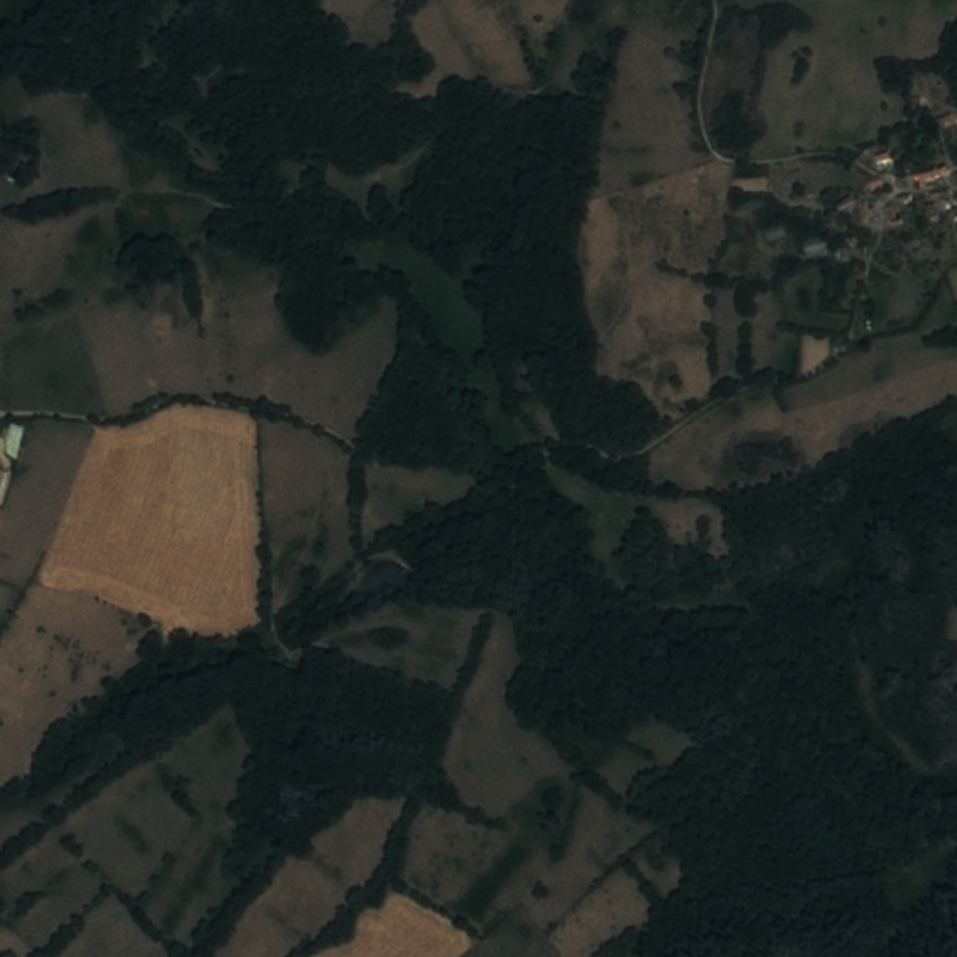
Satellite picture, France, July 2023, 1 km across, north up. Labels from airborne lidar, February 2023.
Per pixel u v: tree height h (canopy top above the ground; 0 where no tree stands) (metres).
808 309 0
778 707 18
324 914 0
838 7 0
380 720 18
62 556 0
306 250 12
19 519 0
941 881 0
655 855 0
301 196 12
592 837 0
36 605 0
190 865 0
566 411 15
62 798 0
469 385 17
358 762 20
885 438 14
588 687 21
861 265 10
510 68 0
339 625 14
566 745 8
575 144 23
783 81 0
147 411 8
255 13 15
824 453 0
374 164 13
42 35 25
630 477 20
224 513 0
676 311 0
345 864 0
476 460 8
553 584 19
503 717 0
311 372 0
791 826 17
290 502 0
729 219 7
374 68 10
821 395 0
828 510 14
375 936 0
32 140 14
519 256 20
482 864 0
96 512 0
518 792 0
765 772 18
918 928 21
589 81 15
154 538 0
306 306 9
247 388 0
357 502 16
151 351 0
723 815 20
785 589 15
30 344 0
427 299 0
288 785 24
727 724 22
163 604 0
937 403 0
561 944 0
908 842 20
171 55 19
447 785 13
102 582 0
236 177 14
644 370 0
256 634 9
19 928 0
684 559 16
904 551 24
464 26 0
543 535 15
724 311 0
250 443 0
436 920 0
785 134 0
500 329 19
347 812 13
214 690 21
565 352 16
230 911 16
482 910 0
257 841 17
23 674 0
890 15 0
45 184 0
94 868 12
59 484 0
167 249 20
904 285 0
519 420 22
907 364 0
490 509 18
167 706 23
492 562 19
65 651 0
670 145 0
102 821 0
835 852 21
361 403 0
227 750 0
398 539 18
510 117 17
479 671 11
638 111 0
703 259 0
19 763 0
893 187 7
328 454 0
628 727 18
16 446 0
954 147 10
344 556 0
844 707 23
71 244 0
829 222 7
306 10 17
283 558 0
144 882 0
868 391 0
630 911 0
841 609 23
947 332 12
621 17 0
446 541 24
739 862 17
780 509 9
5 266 0
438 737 13
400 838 8
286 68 17
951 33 10
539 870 0
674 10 7
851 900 23
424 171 12
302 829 19
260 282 0
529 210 21
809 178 0
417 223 20
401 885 14
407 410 11
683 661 26
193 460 0
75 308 0
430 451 20
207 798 0
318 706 23
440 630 0
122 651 0
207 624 0
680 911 16
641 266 0
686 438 0
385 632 7
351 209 21
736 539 12
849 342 11
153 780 0
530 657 15
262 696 20
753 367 17
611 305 0
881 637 6
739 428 0
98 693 0
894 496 24
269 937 0
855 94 0
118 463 0
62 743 25
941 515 15
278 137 15
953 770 9
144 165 0
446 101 16
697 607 0
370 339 0
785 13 8
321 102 12
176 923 0
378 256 0
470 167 16
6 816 0
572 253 6
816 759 24
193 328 0
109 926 0
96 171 0
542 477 19
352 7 0
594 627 21
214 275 0
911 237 6
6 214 10
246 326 0
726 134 7
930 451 13
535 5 0
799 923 19
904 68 8
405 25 16
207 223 6
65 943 13
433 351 25
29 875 0
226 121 16
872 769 20
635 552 17
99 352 0
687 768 17
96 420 11
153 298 0
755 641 18
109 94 19
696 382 0
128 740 14
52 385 0
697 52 13
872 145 7
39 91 21
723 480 0
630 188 0
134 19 17
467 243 20
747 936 23
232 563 0
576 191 15
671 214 0
